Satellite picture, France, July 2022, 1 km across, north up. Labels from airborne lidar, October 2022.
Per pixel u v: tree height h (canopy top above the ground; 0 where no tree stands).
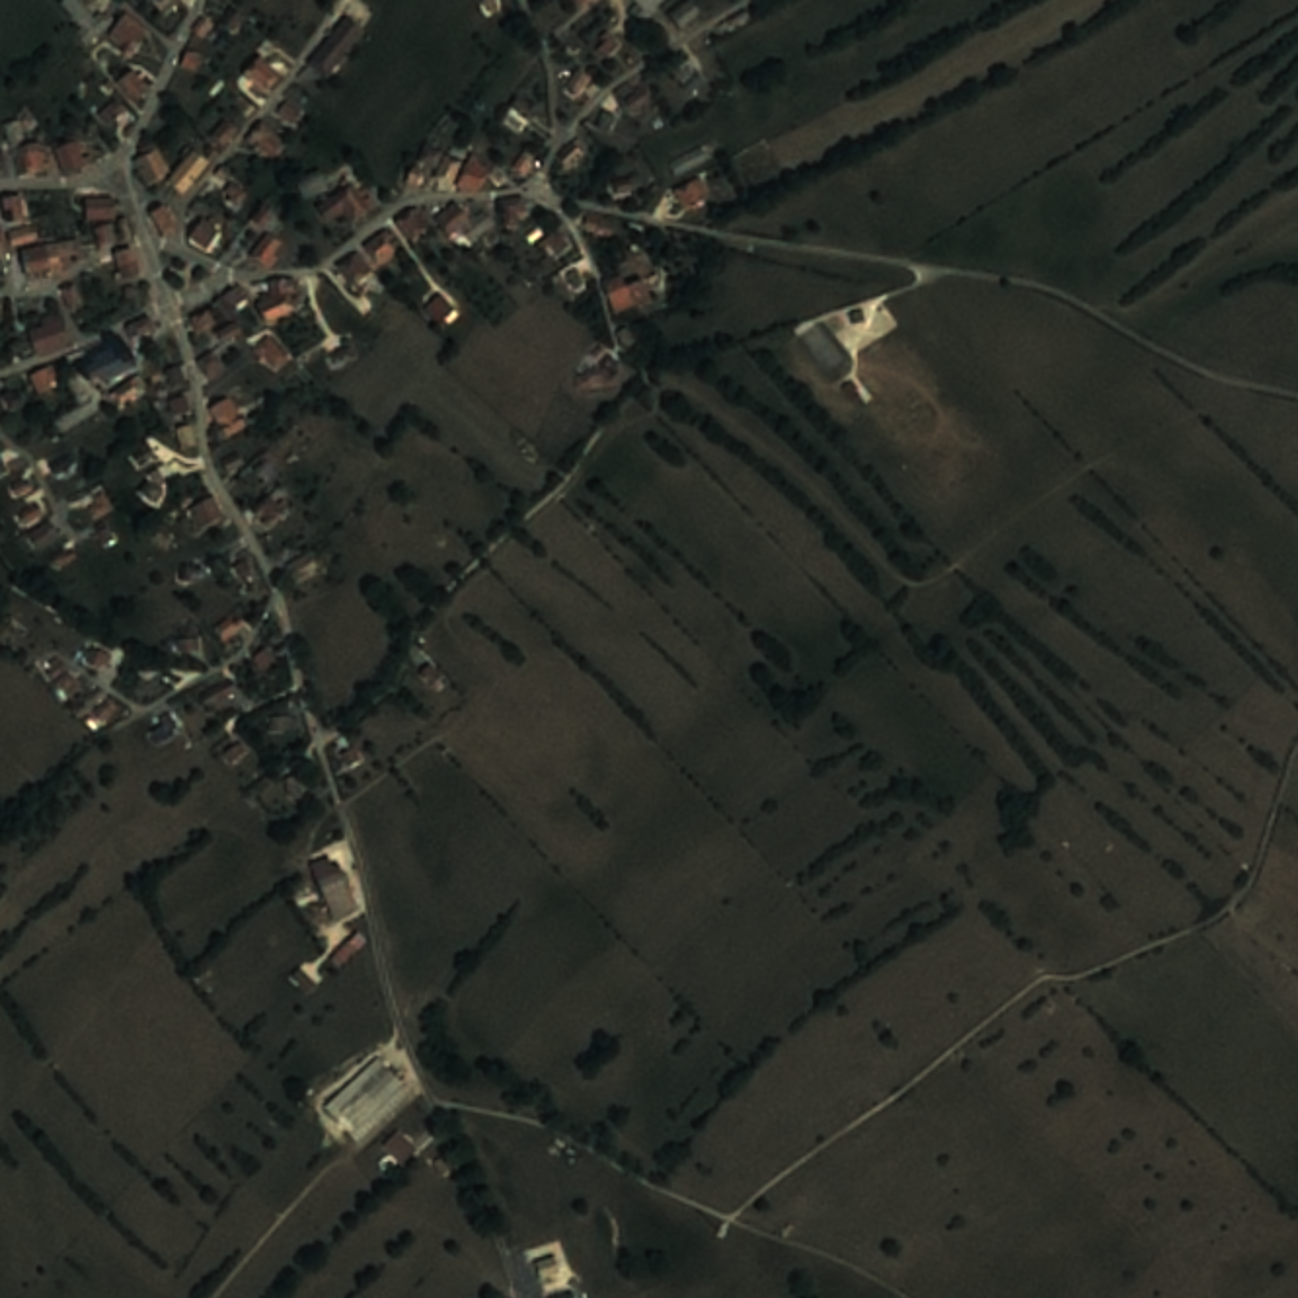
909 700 0
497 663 0
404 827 0
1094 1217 0
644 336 11
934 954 0
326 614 0
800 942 0
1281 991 0
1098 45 0
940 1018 0
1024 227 0
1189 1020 0
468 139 8
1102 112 0
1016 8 9
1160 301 0
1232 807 0
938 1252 0
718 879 0
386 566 0
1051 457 0
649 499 0
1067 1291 0
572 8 10
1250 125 0
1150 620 0
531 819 0
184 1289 0
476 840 0
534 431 0
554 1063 0
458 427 0
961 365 0
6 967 0
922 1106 0
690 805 0
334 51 0
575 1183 0
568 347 0
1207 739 0
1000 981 0
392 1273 0
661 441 14
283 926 0
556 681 0
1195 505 0
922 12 0
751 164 0
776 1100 0
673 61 17
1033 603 0
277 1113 8
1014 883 0
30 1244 0
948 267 0
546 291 6
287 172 17
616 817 0
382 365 0
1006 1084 0
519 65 0
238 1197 0
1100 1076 0
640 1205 0
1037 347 0
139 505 0
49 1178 0
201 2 0
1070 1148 0
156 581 7
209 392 0
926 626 0
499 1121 0
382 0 0
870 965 6
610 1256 0
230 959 0
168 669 12
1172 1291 0
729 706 0
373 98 0
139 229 0
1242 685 0
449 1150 15
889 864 0
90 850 0
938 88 0
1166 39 0
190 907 0
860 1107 0
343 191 0
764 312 0
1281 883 0
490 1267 0
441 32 0
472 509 0
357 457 0
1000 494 0
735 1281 0
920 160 0
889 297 0
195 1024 0
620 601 0
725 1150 0
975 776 0
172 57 0
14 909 0
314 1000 0
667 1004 0
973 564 0
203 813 0
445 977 0
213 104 6
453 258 9
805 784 0
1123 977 0
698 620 0
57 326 0
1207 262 0
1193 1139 0
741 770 0
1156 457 0
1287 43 9
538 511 0
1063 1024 0
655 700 0
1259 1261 0
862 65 0
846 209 0
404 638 20
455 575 9
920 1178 0
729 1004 0
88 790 11
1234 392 0
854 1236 0
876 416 0
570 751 0
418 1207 0
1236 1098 0
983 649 7
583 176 6
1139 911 0
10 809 10
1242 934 0
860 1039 0
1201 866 0
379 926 0
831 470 12
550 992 0
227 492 0
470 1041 0
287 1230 0
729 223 15
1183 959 0
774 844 0
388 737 0
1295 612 0
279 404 12
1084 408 0
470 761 0
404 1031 0
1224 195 0
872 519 7
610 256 9
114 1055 0
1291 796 0
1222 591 0
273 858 0
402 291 15
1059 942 0
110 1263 0
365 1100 0
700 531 0
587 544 0
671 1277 0
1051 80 0
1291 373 0
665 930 0
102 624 16
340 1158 0
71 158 0
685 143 0
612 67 11
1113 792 0
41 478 0
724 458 0
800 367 0
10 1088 0
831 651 0
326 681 0
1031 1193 0
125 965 0
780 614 0
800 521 0
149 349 14
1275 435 0
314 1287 0
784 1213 0
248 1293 0
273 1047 0
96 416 0
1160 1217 0
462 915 0
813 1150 0
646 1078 0
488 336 0
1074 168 0
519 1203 0
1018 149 0
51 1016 0
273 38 9
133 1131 0
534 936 0
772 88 20
